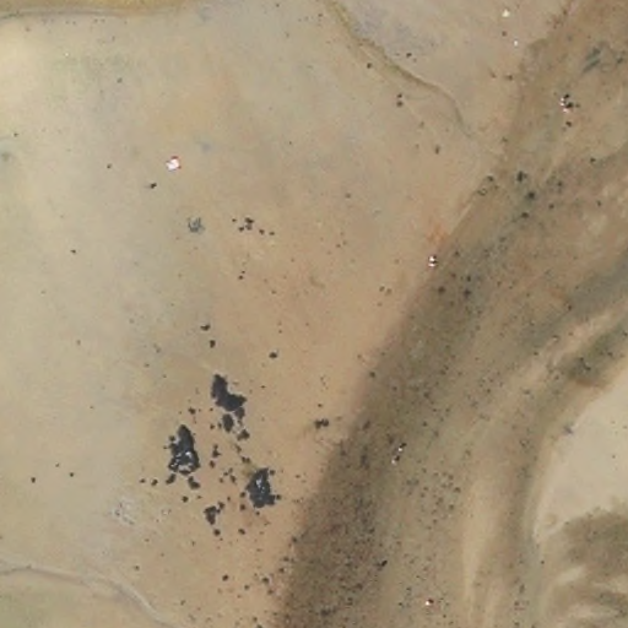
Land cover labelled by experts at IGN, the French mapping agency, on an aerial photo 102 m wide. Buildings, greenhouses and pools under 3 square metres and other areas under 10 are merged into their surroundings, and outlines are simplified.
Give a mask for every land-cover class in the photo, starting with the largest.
<instances>
[{"label":"bare soil","instance_id":"1","mask_svg":"<svg viewBox=\"0 0 628 628\"><path fill-rule=\"evenodd\" d=\"M218 375L226 378L228 393L243 397V419L250 434L248 439L231 437L226 429H211V422L223 419V407L216 402L211 393L213 378ZM182 427H186L194 434L199 469L182 464L177 471H172L169 439ZM258 469H267L270 488L275 493L272 505L260 508L250 498L248 481L250 473H255ZM0 628H628V0H0Z\"/></svg>","mask_w":628,"mask_h":628},{"label":"herbaceous vegetation","instance_id":"2","mask_svg":"<svg viewBox=\"0 0 628 628\"><path fill-rule=\"evenodd\" d=\"M211 393L216 402L223 407V419L211 422V429H226L231 437L248 439L250 434L243 419V397L228 393L226 378L218 375L213 378ZM172 471H177L182 464L199 469L194 434L186 427H182L169 439ZM250 498L260 508L272 505L275 493L270 488L267 469H258L255 473H250L248 481Z\"/></svg>","mask_w":628,"mask_h":628}]
</instances>
